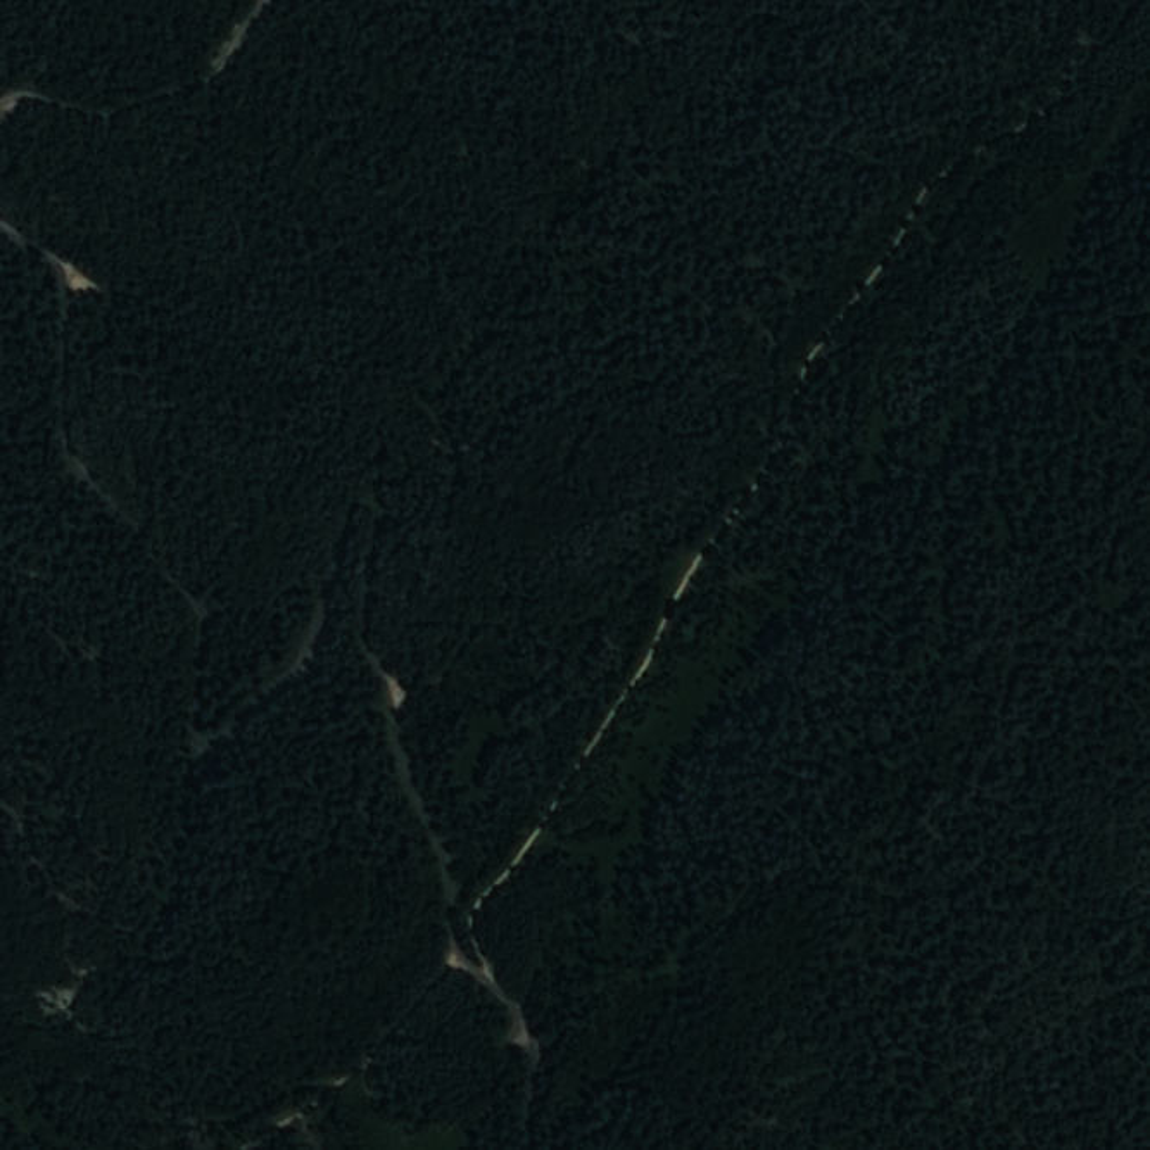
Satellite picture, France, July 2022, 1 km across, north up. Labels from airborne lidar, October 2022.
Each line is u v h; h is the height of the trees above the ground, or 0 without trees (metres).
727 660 0
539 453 26
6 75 9
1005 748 20
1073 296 26
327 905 14
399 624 24
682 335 15
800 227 21
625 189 29
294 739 9
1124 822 21
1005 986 29
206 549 19
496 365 22
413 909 23
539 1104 9
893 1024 18
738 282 13
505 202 17
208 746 0
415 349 11
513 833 14
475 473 23
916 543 22
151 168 14
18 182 12
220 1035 15
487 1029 24
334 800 19
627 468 20
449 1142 0
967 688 23
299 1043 26
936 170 13
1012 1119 7
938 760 9
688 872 42
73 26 23
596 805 10
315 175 10
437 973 26
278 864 28
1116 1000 14
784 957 10
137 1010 21
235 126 20
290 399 18
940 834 6
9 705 23
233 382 17
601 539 25
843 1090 19
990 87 20
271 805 26
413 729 19
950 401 17
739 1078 17
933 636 29
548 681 8
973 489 14
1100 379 25
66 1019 7
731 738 37
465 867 18
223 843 22
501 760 28
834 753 35
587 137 13
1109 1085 14
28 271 20
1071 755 26
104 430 11
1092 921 11
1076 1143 16
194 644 18
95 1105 31
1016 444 15
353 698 20
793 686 31
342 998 24
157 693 21
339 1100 21
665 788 0
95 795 19
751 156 23
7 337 12
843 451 35
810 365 13
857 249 17
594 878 14
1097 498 17
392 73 14
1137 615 24
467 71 13
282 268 15
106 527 20
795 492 16
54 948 11
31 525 22
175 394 17
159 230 6
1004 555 7
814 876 19
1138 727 19
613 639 37
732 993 10
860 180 26
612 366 21
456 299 12
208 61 9
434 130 20
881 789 22
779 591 10
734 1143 17
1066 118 22
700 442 19
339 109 23
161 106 13
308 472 20
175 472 26
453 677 16
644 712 9
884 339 24
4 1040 34
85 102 22
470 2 23
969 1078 24
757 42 22
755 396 20
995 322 24
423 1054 31
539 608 21
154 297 19
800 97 8
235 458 13
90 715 23
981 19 7
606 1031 7
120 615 19
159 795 14
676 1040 16
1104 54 26
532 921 15
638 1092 12
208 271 17
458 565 24
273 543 18
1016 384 21
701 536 29
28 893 16
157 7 13
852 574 15
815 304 15
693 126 30
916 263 27
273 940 15
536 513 22
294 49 17
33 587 16
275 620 16
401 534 26
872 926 25
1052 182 18
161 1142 31
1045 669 19
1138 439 16
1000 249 26
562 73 15
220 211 19
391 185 22
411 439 20
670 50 21
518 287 19
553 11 18
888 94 18
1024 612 27
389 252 20
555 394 33
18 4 15
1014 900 18
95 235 7
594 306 16
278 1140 12
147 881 31
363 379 16
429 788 21
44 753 28
